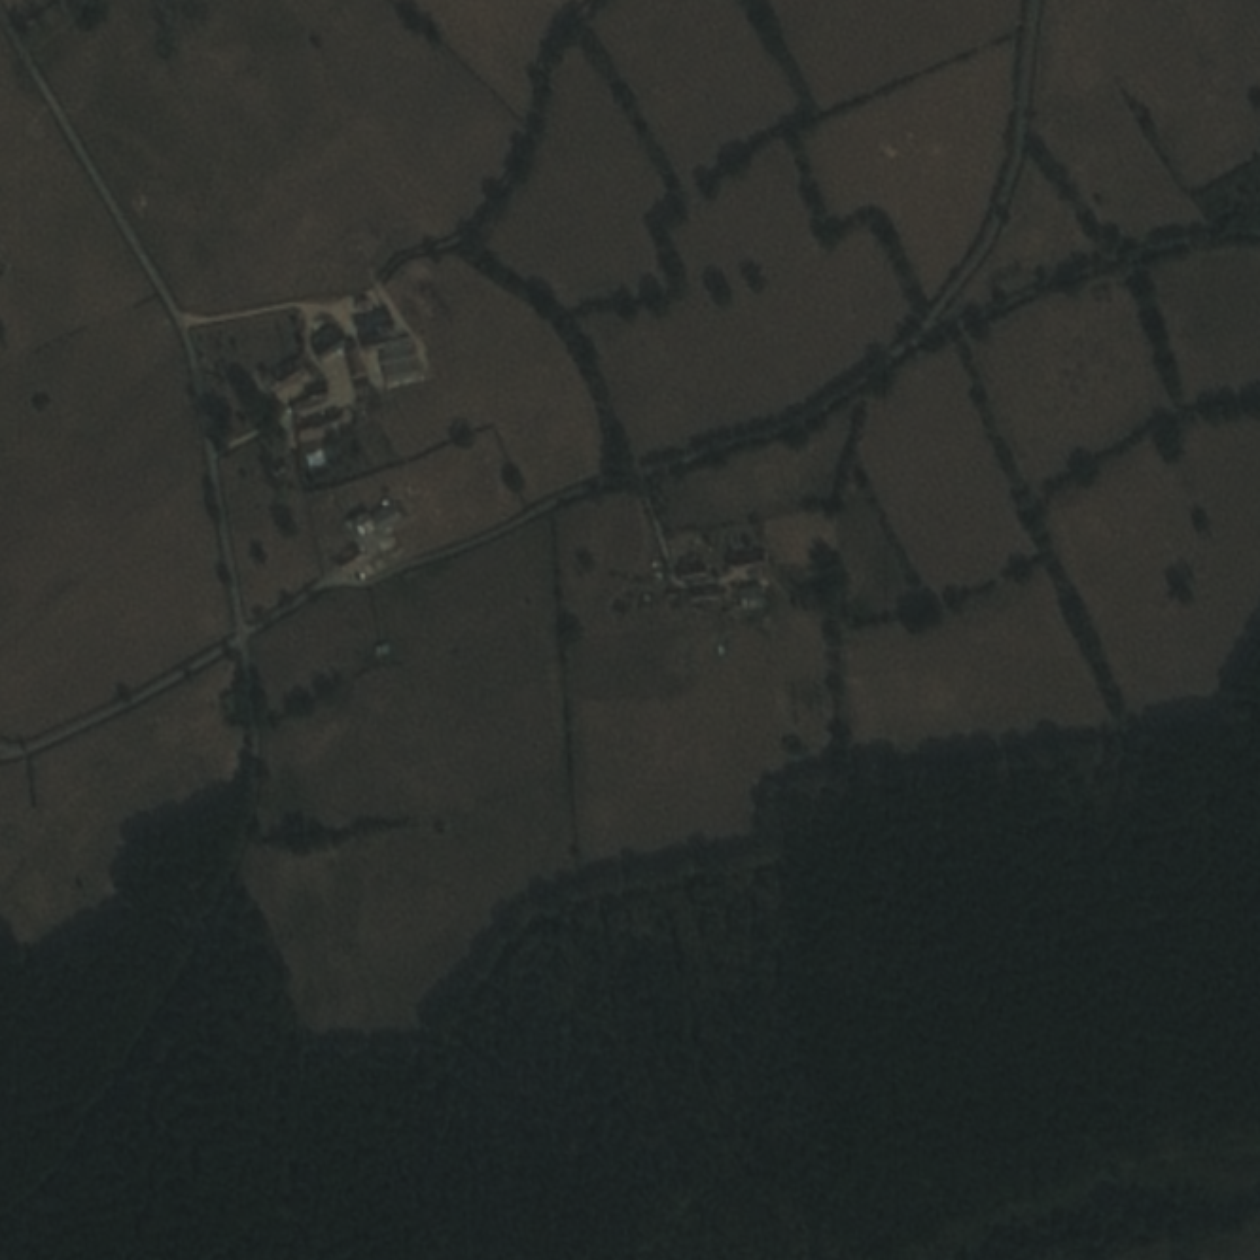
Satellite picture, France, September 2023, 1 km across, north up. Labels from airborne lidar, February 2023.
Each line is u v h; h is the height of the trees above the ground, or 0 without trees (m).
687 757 0
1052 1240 15
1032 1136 23
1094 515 0
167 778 0
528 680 0
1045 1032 27
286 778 0
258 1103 23
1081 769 17
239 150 0
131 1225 23
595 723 0
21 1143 22
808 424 10
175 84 0
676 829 0
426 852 0
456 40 0
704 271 0
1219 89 0
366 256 0
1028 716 0
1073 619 19
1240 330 0
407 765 0
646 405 0
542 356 0
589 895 17
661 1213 18
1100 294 0
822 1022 24
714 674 0
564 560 0
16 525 0
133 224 0
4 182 0
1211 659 0
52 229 0
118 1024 23
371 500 0
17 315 0
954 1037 28
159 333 0
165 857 21
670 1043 19
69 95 0
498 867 0
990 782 19
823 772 15
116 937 21
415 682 0
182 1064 25
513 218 0
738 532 0
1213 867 23
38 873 0
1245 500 0
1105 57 0
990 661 0
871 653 0
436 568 0
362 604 0
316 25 0
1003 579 7
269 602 0
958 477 0
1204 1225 19
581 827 0
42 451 0
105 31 0
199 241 0
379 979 0
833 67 0
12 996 22
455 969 0
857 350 0
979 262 0
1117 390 0
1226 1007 22
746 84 0
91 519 0
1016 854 22
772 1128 19
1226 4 0
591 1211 26
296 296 0
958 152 0
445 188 0
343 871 0
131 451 0
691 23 0
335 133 0
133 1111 24
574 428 0
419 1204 20
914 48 0
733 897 17
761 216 0
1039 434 0
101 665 0
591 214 0
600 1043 17
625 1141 24
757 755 0
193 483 0
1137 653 0
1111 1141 25
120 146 0
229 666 0
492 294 0
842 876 23
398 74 0
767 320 0
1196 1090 23
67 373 0
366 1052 19
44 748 0
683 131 0
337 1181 19
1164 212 0
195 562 0
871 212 8
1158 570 0
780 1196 19
